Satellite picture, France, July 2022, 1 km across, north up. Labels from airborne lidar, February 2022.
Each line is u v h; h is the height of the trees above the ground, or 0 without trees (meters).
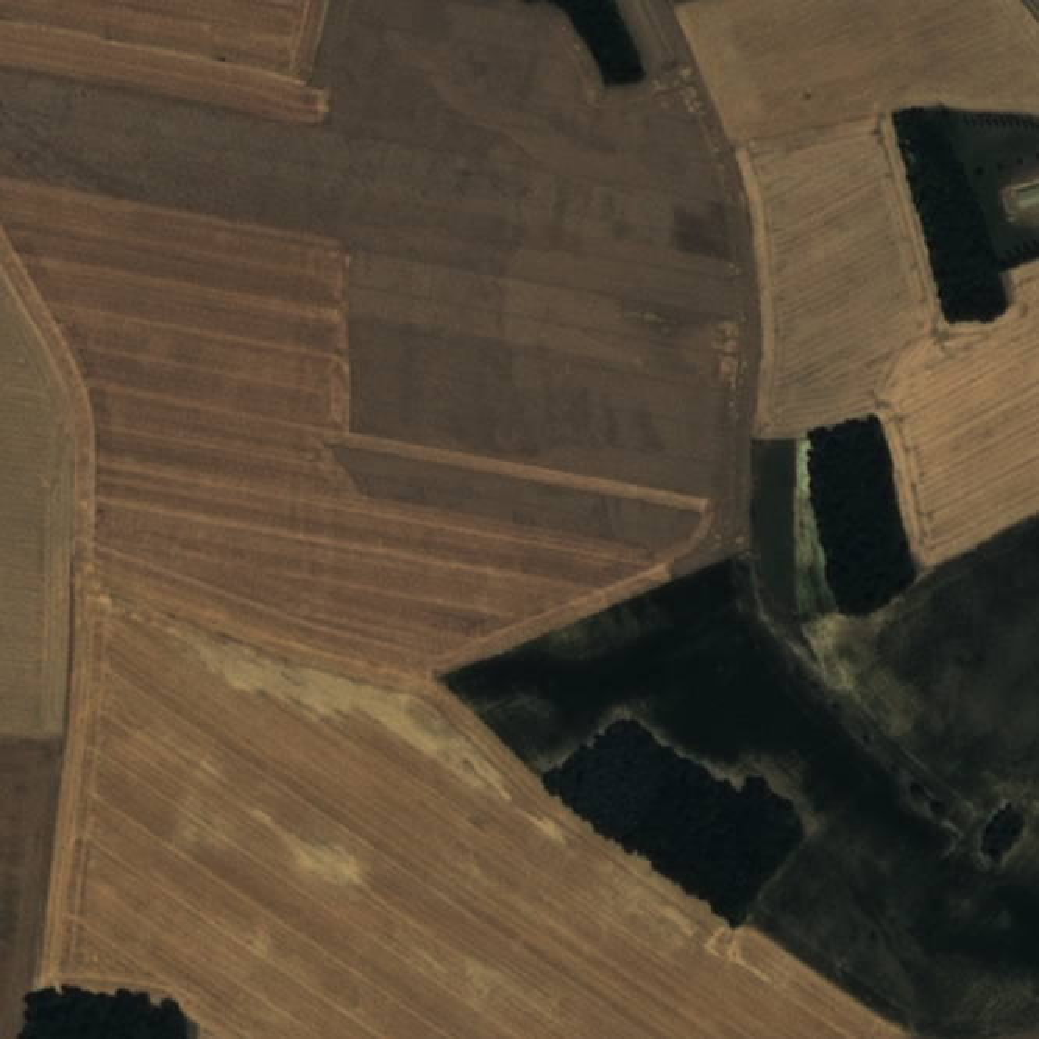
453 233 0
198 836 0
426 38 0
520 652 0
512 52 0
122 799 0
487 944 0
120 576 0
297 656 0
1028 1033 0
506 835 0
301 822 0
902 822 0
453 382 0
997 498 0
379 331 0
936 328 0
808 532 0
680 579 0
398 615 0
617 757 19
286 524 0
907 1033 0
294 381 0
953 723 0
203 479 0
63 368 0
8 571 0
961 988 0
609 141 0
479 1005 0
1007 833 15
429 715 0
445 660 0
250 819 0
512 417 0
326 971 0
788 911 0
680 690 0
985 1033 0
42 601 0
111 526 0
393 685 0
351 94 0
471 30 0
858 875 0
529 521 0
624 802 19
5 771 0
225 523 0
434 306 0
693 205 0
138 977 0
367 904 0
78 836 0
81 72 0
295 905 0
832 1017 0
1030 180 0
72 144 0
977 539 0
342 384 0
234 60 0
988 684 0
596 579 0
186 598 0
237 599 0
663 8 0
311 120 0
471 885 0
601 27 11
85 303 0
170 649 0
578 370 0
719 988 0
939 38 0
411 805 0
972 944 0
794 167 0
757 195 0
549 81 0
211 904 0
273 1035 0
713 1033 0
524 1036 0
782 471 0
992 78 0
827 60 0
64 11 0
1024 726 0
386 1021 0
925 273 0
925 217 11
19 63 0
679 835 22
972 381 0
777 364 0
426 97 0
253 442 0
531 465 0
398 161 0
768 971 0
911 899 0
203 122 0
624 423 0
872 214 0
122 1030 24
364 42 0
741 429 0
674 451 0
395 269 0
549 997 0
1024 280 0
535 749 0
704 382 0
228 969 0
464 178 0
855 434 17
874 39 0
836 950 0
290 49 0
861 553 20
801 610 0
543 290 0
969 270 19
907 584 9
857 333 0
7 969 0
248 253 0
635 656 0
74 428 0
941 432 0
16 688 0
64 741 0
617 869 0
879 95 0
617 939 0
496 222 0
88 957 0
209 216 0
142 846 0
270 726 0
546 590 0
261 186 0
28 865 0
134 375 0
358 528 0
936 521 0
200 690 0
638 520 0
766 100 0
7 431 0
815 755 0
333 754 0
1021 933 0
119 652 0
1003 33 0
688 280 0
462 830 0
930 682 0
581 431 0
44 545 0
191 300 0
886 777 0
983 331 0
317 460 0
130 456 0
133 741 0
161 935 0
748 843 23
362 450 0
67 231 0
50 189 0
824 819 0
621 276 0
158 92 0
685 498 0
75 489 0
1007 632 0
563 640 0
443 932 0
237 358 0
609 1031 0
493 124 0
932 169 10
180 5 0
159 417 0
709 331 0
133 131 0
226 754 0
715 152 0
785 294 0
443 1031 0
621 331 0
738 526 0
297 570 0
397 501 0
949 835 0
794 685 0
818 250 0
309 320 0
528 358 0
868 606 18
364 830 0
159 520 0
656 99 0
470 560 0
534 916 0
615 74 8
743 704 0
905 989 0
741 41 0
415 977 0
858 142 0
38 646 0
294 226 0
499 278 0
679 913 0
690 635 0
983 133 0
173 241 0
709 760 0
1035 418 0
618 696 0
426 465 0
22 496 0
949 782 0
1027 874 0
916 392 0
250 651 0
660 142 0
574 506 0
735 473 0
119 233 0
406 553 0
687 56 0
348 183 0
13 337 0
